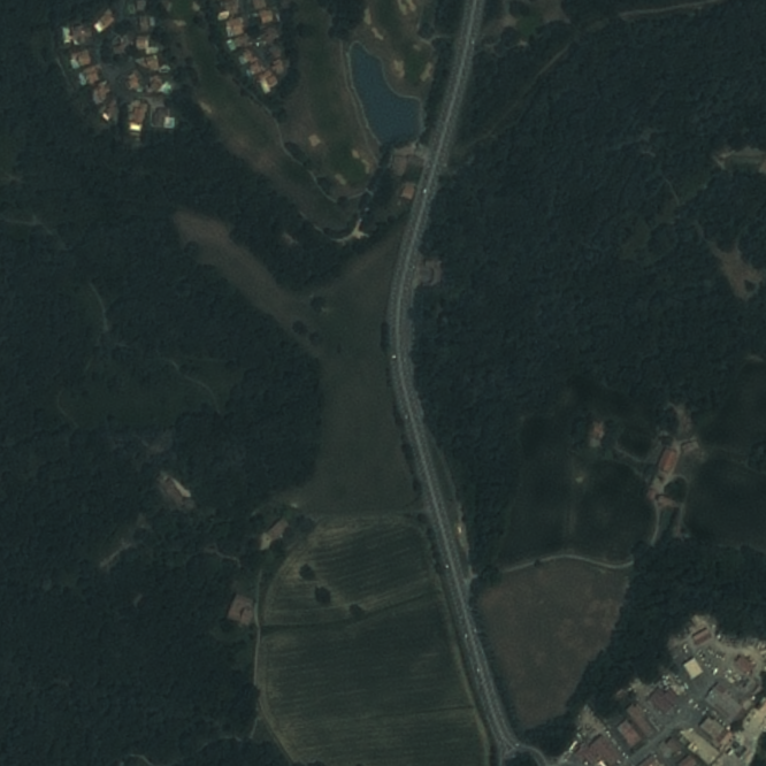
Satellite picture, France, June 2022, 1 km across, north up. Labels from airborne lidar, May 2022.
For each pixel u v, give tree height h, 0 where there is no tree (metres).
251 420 14
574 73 19
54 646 25
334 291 0
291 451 23
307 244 11
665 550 11
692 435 0
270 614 0
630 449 0
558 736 12
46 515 24
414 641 0
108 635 21
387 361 0
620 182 17
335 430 0
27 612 21
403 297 0
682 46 23
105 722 20
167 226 12
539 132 23
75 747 24
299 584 0
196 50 0
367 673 0
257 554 18
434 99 13
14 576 14
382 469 0
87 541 15
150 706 18
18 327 21
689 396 16
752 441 0
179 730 20
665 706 0
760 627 15
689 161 21
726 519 0
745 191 22
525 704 0
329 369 0
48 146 17
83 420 0
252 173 6
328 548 0
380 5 0
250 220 21
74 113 13
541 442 0
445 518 0
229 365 9
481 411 29
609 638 0
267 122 0
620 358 26
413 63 0
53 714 23
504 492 26
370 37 0
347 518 0
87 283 10
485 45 7
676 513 8
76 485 24
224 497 21
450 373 25
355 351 0
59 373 13
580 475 0
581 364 13
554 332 28
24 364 19
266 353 23
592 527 0
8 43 17
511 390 26
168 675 24
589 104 18
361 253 16
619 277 22
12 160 0
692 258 16
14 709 19
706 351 23
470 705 0
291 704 0
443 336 28
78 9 14
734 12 26
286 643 0
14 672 21
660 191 15
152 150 18
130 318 18
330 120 0
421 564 0
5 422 8
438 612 0
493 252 31
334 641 0
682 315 22
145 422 0
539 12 0
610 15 13
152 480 17
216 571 24
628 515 0
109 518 15
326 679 0
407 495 0
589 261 21
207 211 18
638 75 23
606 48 14
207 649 21
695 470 0
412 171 0
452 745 0
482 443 22
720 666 0
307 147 0
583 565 0
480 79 9
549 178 22
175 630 25
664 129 19
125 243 22
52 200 16
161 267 27
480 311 29
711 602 22
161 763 14
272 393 21
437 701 0
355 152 0
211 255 0
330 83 0
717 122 27
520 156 23
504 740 0
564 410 0
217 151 22
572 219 19
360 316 0
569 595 0
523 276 30
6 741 11
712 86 28
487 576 20
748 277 0
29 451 19
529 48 6
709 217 21
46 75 11
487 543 28
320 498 0
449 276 20
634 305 32
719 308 17
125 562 16
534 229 23
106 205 22
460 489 7
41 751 22
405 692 0
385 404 0
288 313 0
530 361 24
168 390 0
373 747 0
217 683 20
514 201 30
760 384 0
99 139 11
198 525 9
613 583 0
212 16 16
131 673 24
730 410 0
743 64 23
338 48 0
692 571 11
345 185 0
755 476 0
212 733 20
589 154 23
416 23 0
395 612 0
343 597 0
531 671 0
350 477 0
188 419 13
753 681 0
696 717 0
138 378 8
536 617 0
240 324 23
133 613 23
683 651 0
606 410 0
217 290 20
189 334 26
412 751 0
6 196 13
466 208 24
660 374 16
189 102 21
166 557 10
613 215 10
